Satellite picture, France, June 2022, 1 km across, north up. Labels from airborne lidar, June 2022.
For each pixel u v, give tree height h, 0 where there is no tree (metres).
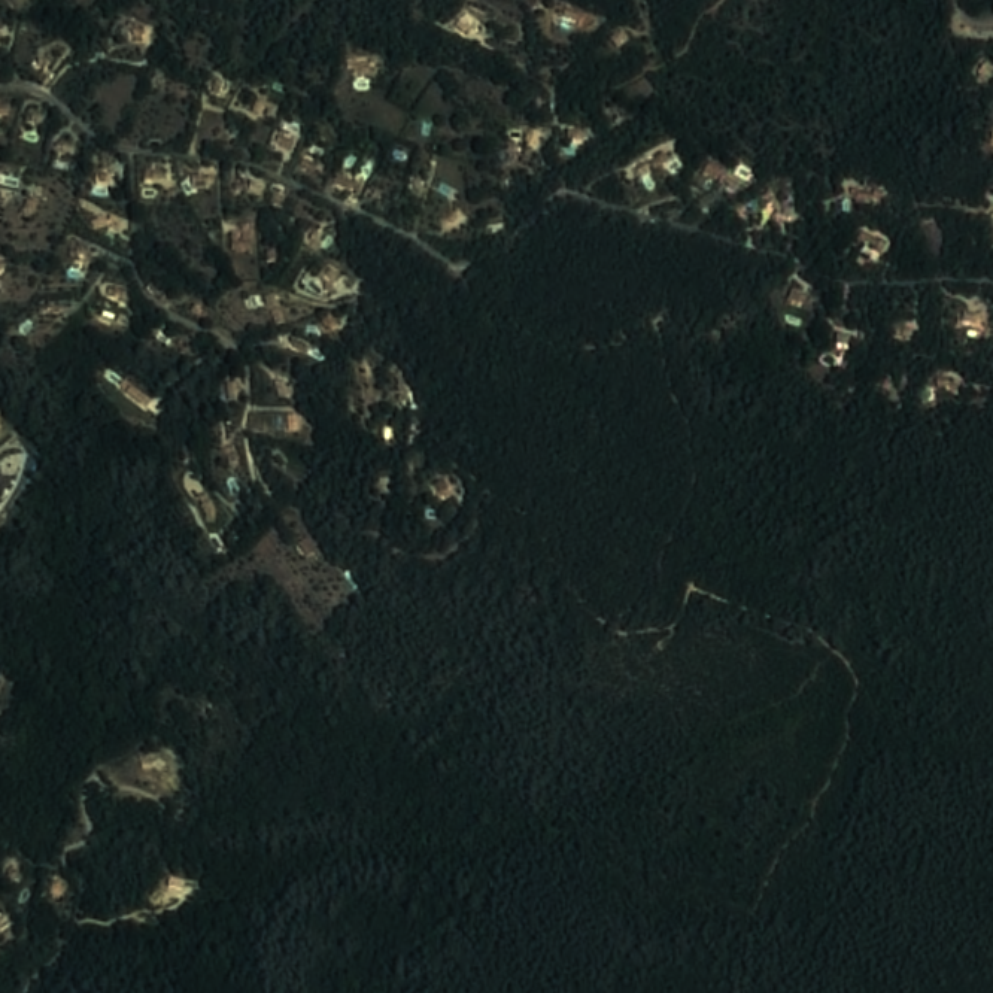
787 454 11
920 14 7
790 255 8
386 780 13
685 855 12
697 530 10
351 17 15
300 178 7
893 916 18
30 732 18
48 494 16
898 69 9
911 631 12
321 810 16
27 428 20
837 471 15
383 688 14
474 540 10
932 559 16
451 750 14
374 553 11
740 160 8
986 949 12
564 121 10
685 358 12
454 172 0
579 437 8
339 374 10
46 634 18
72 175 6
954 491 13
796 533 22
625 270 9
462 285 16
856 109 18
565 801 6
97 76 8
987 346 9
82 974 15
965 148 7
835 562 10
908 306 13
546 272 7
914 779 11
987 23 0
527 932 19
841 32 14
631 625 15
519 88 21
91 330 14
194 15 10
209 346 14
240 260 0
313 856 15
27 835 10
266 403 0
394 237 10
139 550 21
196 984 24
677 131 9
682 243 13
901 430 7
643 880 9
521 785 14
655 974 14
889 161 11
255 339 11
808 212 12
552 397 6
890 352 8
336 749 7
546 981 18
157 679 13
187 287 7
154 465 15
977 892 7
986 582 15
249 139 11
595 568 8
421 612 15
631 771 10
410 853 16
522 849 17
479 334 14
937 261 12
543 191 14
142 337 13
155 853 15
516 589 17
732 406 8
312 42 18
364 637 16
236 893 17
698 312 10
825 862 8
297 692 9
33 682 11
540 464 9
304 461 12
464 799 11
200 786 12
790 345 11
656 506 10
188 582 14
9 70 13
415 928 13
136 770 0
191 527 8
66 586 19
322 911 11
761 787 19
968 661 10
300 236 13
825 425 12
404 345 9
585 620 12
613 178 7
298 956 21
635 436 9
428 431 11
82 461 18
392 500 13
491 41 5
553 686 16
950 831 15
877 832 16
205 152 11
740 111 19
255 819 12
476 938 15
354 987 12
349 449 16
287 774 13
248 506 17
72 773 20
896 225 8
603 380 8
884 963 15
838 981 17
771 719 6
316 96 11
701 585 8
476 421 8
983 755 7
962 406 8
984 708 10
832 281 10
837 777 9
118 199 12
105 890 10
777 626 18
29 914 11
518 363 12
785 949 15
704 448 9
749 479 9
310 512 10
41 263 16
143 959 20
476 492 10
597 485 7
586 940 16
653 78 10
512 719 12
